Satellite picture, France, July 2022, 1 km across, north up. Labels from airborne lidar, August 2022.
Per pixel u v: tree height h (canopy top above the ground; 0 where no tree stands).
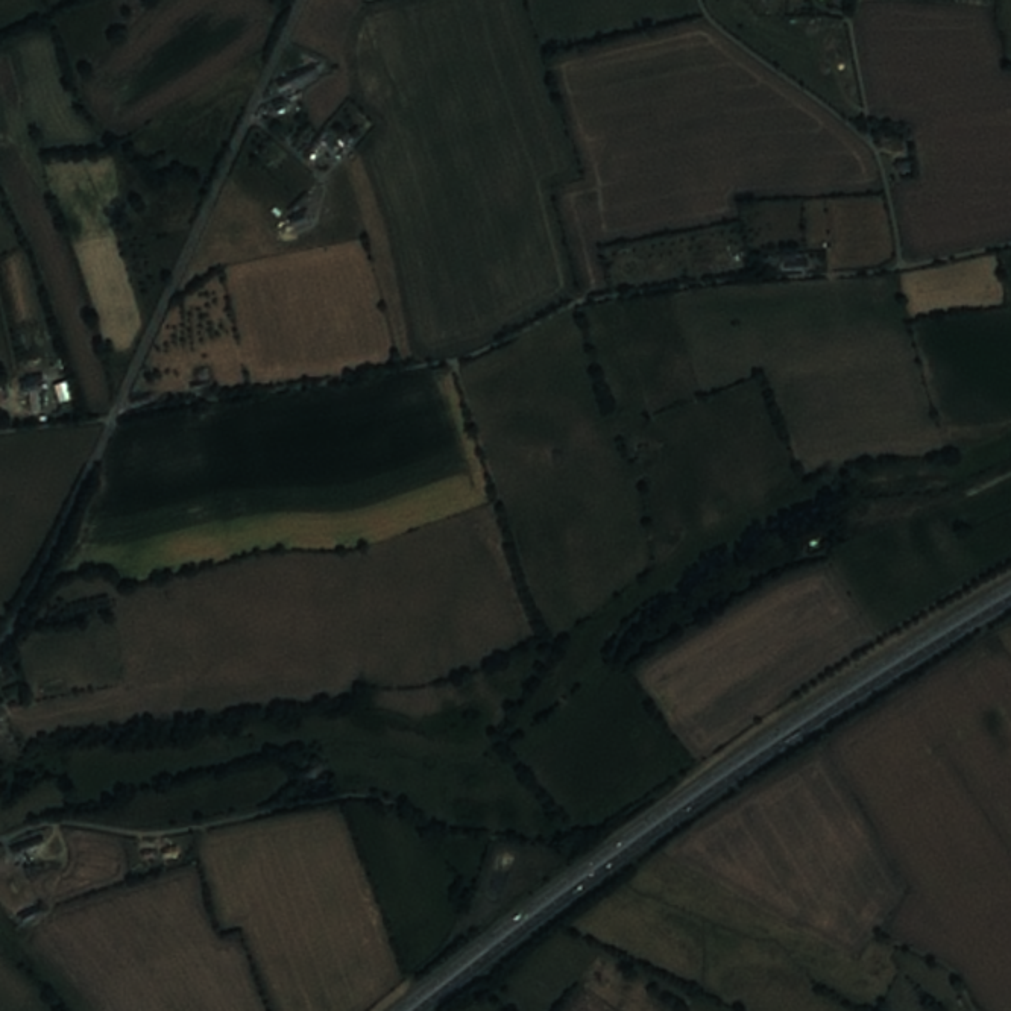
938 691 0
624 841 0
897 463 13
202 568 8
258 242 0
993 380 0
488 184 0
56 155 10
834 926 0
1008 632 0
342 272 0
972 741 0
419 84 0
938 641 0
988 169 0
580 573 0
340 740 0
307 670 0
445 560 0
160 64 0
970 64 0
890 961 0
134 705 0
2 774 9
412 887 0
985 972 0
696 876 0
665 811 0
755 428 0
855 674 0
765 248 6
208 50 0
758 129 0
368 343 0
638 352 0
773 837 0
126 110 0
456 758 0
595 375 13
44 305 11
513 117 0
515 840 12
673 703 0
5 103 0
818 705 0
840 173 0
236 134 7
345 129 8
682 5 0
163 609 0
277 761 14
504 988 11
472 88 0
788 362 0
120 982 0
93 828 0
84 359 0
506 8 0
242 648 0
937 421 9
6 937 0
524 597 8
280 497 0
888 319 0
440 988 0
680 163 0
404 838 0
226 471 0
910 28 0
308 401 0
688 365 0
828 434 0
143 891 0
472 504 0
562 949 0
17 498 0
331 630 0
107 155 6
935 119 0
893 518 0
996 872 0
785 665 0
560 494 0
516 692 0
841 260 0
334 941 0
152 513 0
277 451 0
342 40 0
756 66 0
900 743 0
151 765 0
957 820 0
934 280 0
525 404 0
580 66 0
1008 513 0
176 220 0
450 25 0
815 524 33
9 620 6
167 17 0
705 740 0
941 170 0
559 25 0
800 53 0
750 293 0
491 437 0
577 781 0
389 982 0
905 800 0
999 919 0
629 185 0
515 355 0
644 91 0
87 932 0
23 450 0
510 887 0
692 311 0
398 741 0
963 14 0
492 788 0
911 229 0
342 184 0
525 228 0
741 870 0
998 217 0
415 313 0
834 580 0
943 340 0
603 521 0
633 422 0
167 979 0
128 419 12
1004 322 0
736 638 0
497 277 0
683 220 0
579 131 0
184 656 0
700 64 0
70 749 19
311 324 0
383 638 0
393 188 0
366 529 0
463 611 0
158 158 6
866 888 0
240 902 0
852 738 0
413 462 0
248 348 0
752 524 0
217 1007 0
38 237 0
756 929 0
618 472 0
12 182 0
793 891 0
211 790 0
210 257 0
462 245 0
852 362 0
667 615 20
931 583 0
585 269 0
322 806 7
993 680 0
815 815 0
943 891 0
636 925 0
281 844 0
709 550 0
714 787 0
